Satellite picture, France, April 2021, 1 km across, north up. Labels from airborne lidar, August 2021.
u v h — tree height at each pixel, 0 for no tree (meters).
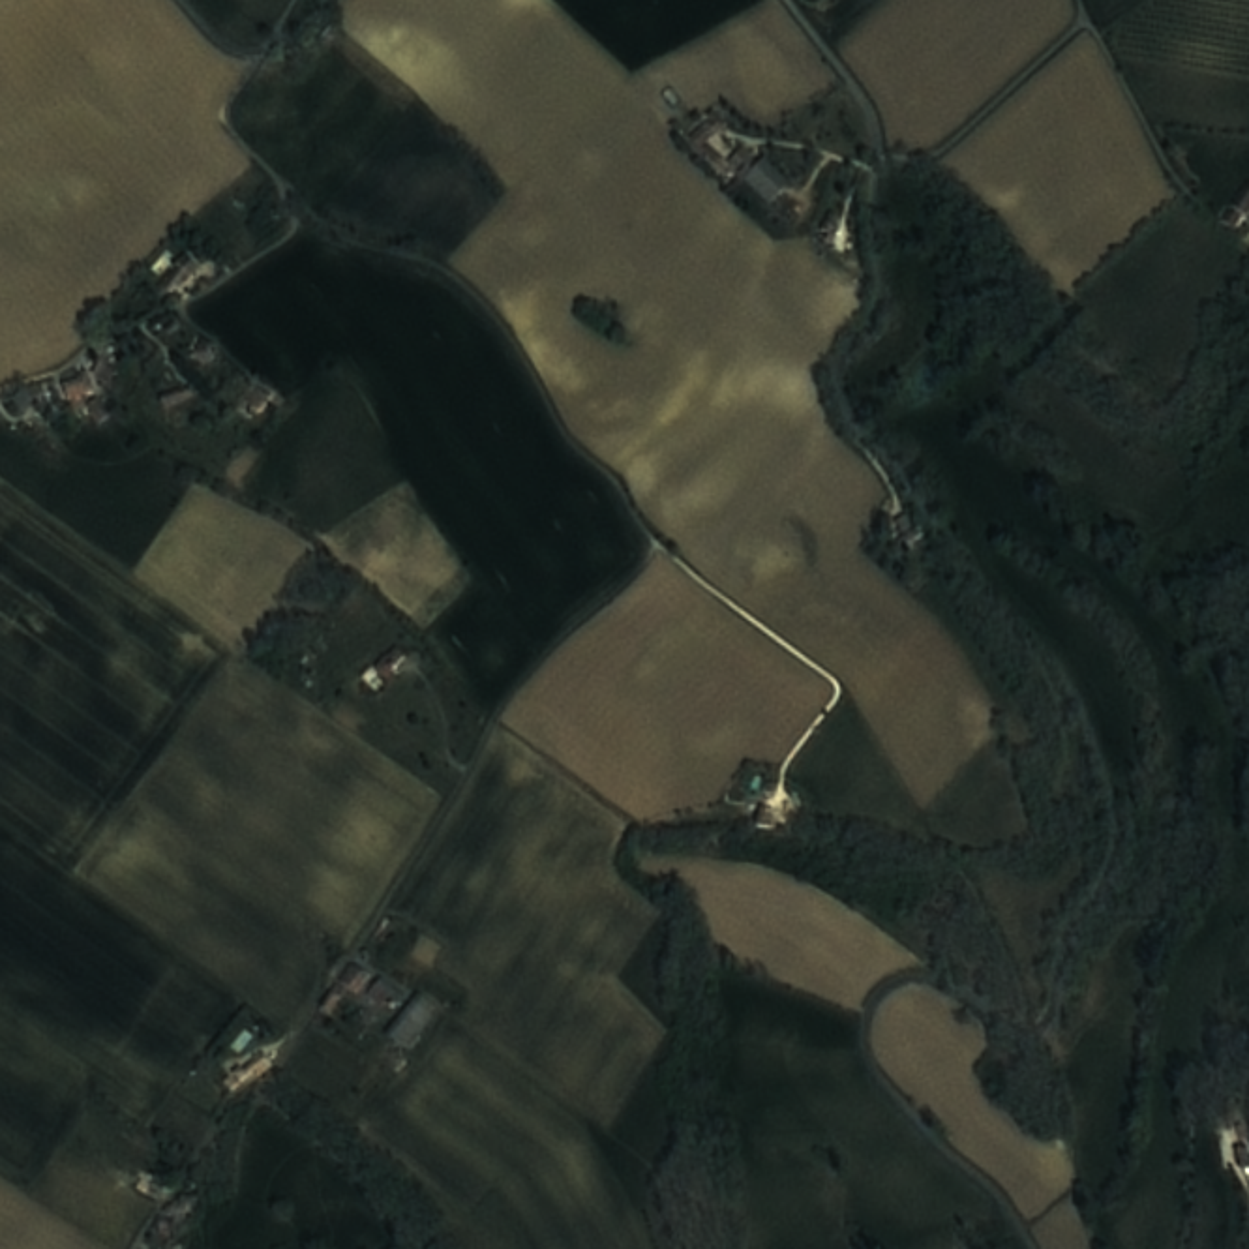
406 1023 0
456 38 0
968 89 0
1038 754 18
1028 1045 18
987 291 17
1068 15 0
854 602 0
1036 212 0
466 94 0
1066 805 16
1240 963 0
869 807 0
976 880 18
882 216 18
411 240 7
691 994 15
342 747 0
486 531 0
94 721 0
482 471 0
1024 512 0
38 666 0
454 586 0
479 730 0
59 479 0
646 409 0
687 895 25
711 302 0
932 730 0
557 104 0
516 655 0
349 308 0
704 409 0
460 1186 0
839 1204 0
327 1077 0
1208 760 33
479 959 0
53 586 0
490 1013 0
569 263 0
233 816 0
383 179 0
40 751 0
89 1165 0
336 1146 24
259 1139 0
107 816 0
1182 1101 22
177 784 0
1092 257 0
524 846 0
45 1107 0
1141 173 0
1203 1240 0
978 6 0
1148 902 25
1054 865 15
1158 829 20
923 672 0
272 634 17
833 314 0
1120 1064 0
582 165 0
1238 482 0
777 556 0
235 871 0
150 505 0
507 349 0
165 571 0
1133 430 18
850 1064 0
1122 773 0
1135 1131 19
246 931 0
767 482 0
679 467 0
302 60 17
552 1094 0
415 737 0
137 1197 0
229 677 0
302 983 0
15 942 0
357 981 0
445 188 0
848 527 0
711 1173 19
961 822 0
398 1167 15
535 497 0
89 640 0
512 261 0
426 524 0
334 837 0
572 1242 0
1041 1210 0
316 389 0
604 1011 0
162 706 0
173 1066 0
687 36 0
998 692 0
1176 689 0
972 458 0
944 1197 0
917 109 0
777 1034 0
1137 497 0
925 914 11
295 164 0
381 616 0
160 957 0
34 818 0
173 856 0
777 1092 0
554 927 0
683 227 0
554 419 0
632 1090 0
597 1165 0
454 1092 0
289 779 0
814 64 0
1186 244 0
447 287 0
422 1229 22
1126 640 23
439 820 0
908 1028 0
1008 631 20
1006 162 0
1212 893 20
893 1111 0
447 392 0
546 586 0
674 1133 11
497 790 0
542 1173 0
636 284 0
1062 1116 15
